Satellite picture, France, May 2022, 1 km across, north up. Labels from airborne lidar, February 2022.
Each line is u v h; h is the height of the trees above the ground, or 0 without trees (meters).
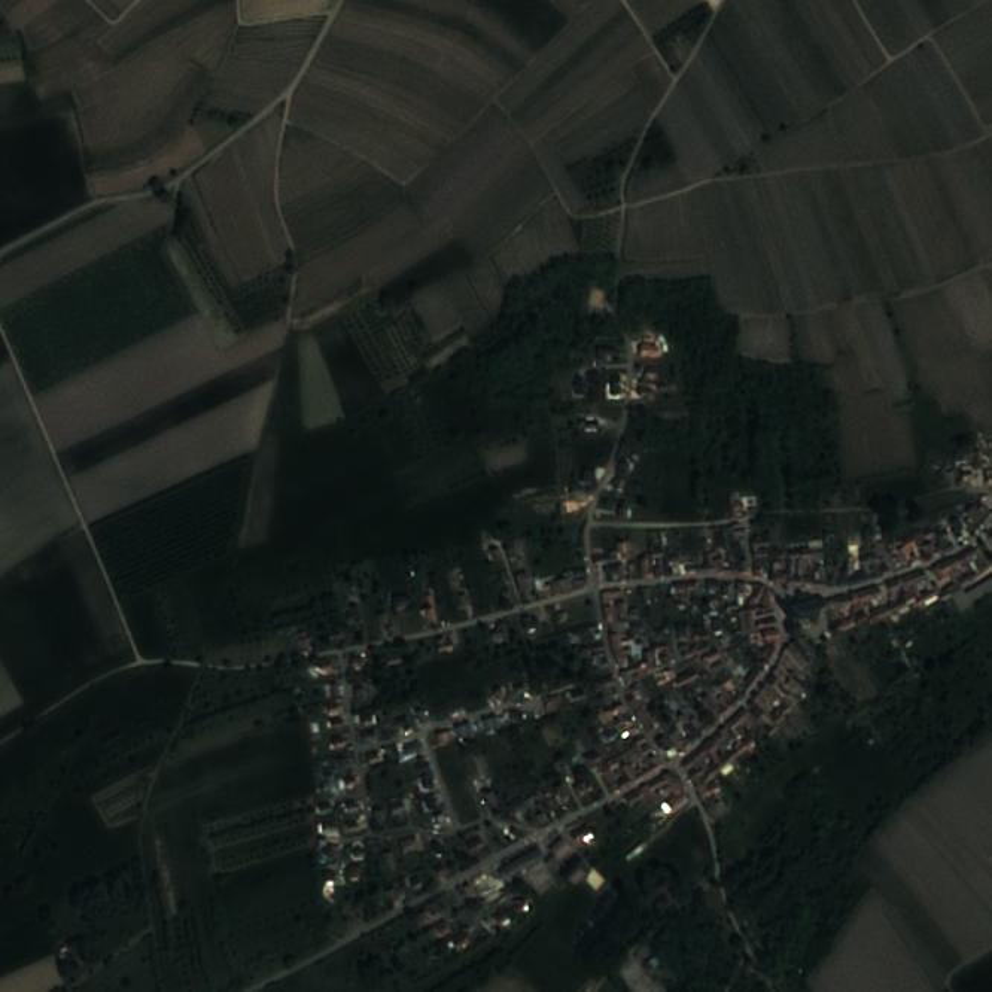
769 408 21
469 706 0
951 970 0
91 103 0
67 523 0
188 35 0
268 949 0
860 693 0
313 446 0
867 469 0
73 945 10
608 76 0
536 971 0
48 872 0
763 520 8
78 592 0
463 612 0
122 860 0
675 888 20
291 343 0
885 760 0
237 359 0
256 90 0
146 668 0
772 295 0
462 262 0
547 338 0
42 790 0
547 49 0
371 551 0
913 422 0
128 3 0
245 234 0
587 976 0
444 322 0
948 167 0
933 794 0
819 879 0
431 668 0
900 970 0
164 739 0
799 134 0
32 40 0
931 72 0
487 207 0
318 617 7
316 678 0
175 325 0
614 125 0
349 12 0
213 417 0
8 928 0
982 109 0
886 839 0
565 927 0
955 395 0
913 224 0
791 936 7
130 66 0
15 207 0
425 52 0
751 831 0
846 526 0
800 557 0
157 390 0
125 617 0
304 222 0
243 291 0
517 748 0
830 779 0
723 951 15
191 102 0
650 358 0
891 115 0
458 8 0
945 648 0
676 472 0
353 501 0
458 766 0
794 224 0
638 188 0
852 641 10
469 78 0
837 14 0
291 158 0
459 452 0
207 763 0
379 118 0
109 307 0
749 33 0
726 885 12
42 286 0
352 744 0
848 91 0
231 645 0
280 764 0
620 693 0
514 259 0
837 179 0
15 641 0
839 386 0
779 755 8
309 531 0
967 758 0
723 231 0
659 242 0
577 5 0
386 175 0
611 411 0
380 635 0
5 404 0
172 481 0
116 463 0
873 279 0
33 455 0
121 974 0
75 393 0
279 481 0
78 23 0
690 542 0
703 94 0
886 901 0
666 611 0
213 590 0
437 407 0
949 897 0
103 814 0
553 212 0
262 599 0
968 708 0
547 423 0
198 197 0
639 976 0
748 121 0
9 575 0
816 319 0
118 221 0
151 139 0
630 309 16
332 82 0
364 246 0
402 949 7
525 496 0
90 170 0
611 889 0
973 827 0
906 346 0
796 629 15
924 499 0
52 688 0
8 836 0
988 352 0
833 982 0
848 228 0
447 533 0
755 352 0
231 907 0
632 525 0
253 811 0
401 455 0
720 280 0
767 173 0
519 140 0
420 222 0
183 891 0
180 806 0
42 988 0
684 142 0
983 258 0
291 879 0
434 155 0
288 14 0
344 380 0
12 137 0
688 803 0
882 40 0
